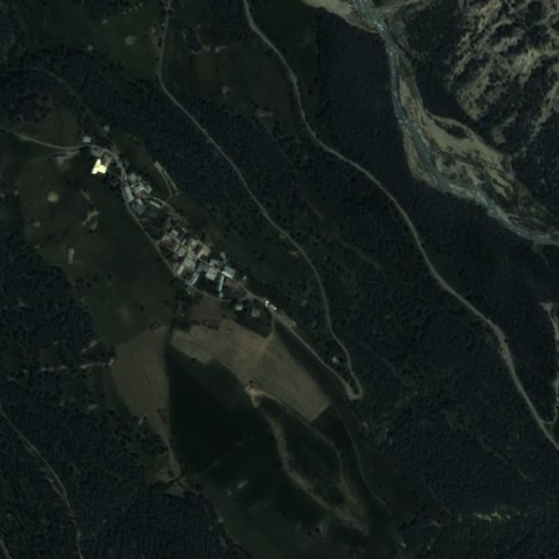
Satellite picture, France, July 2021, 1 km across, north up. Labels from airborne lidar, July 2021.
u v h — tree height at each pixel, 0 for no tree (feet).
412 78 0
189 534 60
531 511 27
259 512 0
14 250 57
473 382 44
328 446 0
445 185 0
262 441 0
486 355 40
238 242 0
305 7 0
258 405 0
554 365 40
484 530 27
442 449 51
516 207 0
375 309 32
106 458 74
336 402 0
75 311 43
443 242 48
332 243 29
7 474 82
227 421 0
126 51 0
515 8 24
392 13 0
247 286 0
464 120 28
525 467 32
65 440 64
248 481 0
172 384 0
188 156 48
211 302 0
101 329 0
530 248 20
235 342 0
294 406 0
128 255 0
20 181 0
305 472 0
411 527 43
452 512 36
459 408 32
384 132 41
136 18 0
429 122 0
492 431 46
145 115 41
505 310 38
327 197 70
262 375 0
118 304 0
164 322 0
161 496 65
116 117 44
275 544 0
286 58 37
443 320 49
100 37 0
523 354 29
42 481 59
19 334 58
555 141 41
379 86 34
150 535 66
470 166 0
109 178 38
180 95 20
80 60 48
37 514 35
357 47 26
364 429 27
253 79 0
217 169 53
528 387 45
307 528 0
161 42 29
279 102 0
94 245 0
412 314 61
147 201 22
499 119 35
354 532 0
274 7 0
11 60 41
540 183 31
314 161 27
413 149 0
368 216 43
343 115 40
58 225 0
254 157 50
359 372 32
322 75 28
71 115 0
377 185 35
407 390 29
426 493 38
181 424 0
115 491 41
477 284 56
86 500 43
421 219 43
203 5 0
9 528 88
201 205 23
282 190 45
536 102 25
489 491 47
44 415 70
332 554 0
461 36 23
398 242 62
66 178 0
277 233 0
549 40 19
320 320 45
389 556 0
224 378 0
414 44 22
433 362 62
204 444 0
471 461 50
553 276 26
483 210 23
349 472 0
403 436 44
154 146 26
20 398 58
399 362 47
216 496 0
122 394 0
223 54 0
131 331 0
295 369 0
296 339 0
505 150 33
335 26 46
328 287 30
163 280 0
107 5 24
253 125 50
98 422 46
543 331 36
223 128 45
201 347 0
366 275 36
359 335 50
